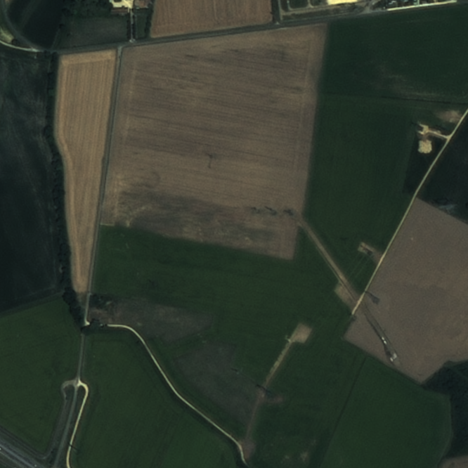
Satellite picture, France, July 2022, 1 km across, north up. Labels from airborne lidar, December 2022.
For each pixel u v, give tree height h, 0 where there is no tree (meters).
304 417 0
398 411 0
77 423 0
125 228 0
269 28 0
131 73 0
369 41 0
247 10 0
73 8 10
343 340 0
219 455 0
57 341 0
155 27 0
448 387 11
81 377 0
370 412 0
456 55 0
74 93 0
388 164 0
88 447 0
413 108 0
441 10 0
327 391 0
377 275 0
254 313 0
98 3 7
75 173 0
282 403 0
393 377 0
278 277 0
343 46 0
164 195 0
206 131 0
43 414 0
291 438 0
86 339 0
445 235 0
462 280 0
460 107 0
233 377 0
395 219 0
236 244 0
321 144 0
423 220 0
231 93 0
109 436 0
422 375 0
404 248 0
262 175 0
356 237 0
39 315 0
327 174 0
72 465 0
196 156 0
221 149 0
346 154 0
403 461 0
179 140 0
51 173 0
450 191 0
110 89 0
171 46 0
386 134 0
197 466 0
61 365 0
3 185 0
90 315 0
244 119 0
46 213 0
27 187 0
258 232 0
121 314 0
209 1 0
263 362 0
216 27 0
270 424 0
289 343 0
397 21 0
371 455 0
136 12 11
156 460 0
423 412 0
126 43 0
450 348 0
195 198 0
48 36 0
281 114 0
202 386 0
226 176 0
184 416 0
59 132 0
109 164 0
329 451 0
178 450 0
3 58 0
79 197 0
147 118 0
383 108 0
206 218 0
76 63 0
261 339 0
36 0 0
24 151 0
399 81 0
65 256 19
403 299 0
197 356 0
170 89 0
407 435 0
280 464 0
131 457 0
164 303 0
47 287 0
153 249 0
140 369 0
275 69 0
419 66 0
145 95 0
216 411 0
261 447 0
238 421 0
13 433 0
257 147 0
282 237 0
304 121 0
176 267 0
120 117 0
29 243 0
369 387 0
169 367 0
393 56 0
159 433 0
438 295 0
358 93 0
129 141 0
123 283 0
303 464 0
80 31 0
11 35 0
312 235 0
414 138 0
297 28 0
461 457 0
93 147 0
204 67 0
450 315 0
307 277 0
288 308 0
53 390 0
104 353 0
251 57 0
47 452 0
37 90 0
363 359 0
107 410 0
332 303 0
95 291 0
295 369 0
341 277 0
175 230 0
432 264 0
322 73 0
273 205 0
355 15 0
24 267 0
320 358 0
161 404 0
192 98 0
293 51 0
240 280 0
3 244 0
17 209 0
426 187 0
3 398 0
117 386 0
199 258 0
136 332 0
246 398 0
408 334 0
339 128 0
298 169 0
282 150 0
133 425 0
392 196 0
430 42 0
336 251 0
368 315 0
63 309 0
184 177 0
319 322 0
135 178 0
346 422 0
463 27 0
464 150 0
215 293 0
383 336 0
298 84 0
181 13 0
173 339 0
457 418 7
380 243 0
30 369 0
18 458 0
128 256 0
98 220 0
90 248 0
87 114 0
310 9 0
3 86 0
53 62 6
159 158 0
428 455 0
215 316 0
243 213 0
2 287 0
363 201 0
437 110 0
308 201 0
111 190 0
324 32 0
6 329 0
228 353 0
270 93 0
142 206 0
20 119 0
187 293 0
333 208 0
